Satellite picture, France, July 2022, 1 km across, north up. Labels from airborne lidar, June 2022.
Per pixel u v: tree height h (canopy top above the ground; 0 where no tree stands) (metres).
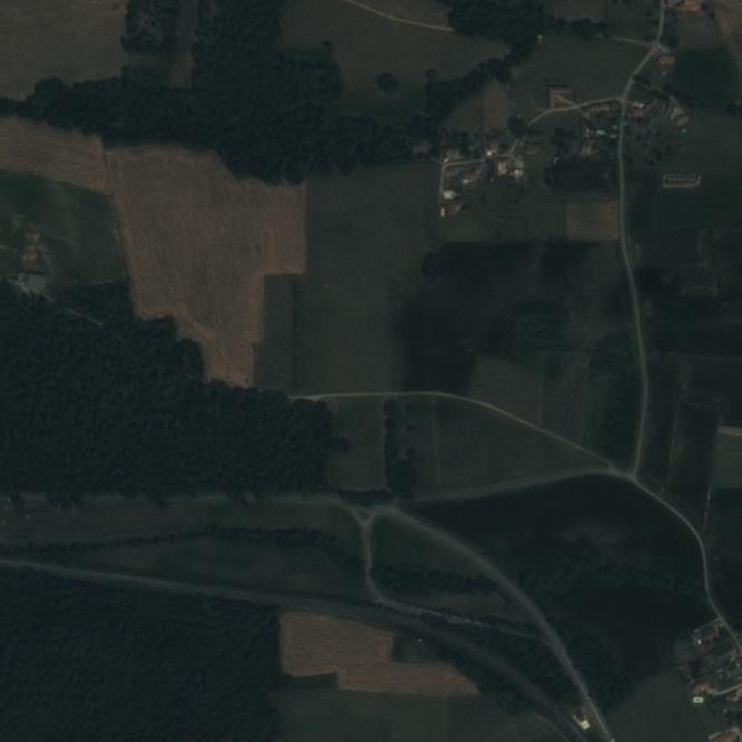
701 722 0
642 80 9
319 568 0
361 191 0
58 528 0
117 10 0
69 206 0
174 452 28
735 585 0
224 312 0
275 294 0
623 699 7
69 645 22
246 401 19
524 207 0
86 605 20
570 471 0
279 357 0
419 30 0
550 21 14
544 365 0
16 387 26
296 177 24
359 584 0
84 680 23
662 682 0
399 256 0
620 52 0
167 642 15
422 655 0
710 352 0
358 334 0
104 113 9
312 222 0
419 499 0
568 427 0
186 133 19
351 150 18
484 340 0
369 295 0
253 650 19
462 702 0
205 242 0
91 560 0
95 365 22
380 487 0
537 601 10
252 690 24
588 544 0
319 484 22
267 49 24
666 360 0
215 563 0
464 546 0
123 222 0
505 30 25
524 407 0
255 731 23
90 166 0
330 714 0
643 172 0
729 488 0
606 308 0
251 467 10
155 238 0
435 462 0
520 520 0
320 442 17
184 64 0
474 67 0
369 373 0
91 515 0
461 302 0
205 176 0
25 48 0
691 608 0
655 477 0
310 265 0
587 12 0
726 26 0
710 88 0
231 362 0
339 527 0
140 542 12
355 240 0
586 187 0
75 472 24
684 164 0
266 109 21
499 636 22
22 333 8
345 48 0
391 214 0
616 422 6
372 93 0
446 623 18
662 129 0
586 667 17
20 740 21
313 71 26
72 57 0
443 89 20
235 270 0
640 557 0
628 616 0
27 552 17
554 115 0
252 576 0
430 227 0
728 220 0
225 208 0
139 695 23
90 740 22
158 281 0
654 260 0
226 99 29
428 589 20
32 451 25
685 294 0
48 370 12
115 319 16
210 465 28
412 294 0
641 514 0
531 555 0
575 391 0
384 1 0
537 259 0
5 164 0
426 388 0
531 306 0
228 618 19
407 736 0
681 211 0
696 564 0
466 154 11
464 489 0
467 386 0
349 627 0
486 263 0
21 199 0
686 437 0
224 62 23
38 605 19
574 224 0
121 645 24
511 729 0
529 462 0
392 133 17
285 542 21
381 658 0
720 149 0
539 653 15
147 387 9
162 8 19
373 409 0
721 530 0
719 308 0
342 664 0
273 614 6
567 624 0
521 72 0
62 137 0
